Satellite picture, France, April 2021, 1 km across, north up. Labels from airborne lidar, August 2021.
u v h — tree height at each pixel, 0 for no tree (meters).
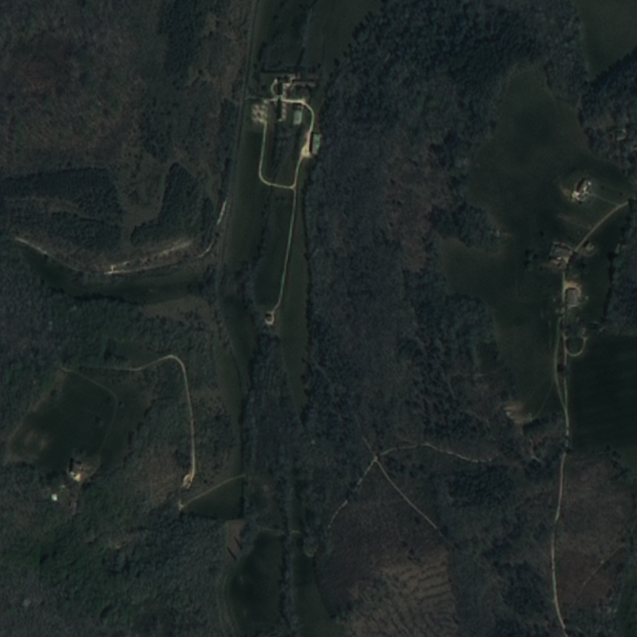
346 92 7
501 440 8
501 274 0
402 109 17
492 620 13
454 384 9
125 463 12
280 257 0
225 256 0
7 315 19
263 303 0
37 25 22
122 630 18
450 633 0
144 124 10
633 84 16
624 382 0
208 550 26
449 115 18
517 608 21
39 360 22
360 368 16
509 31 19
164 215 7
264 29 0
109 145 9
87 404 0
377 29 11
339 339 12
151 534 15
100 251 12
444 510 17
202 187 10
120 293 0
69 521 10
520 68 6
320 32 0
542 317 0
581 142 0
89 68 16
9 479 18
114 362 17
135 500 17
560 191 0
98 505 28
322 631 0
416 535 7
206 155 12
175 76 16
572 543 0
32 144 16
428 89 18
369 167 15
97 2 22
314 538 10
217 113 13
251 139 0
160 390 7
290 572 19
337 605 0
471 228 16
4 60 19
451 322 18
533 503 11
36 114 20
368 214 15
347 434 13
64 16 12
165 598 17
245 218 0
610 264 0
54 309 23
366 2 0
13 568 22
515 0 19
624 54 0
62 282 0
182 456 10
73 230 12
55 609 19
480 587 14
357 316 10
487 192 0
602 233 0
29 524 19
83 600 22
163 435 14
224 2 14
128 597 19
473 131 15
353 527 7
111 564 18
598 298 0
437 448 11
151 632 20
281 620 0
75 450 0
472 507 13
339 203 9
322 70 6
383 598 24
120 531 17
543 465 12
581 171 0
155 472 11
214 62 15
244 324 0
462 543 14
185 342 11
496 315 0
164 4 14
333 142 11
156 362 0
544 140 0
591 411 0
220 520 17
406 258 15
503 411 7
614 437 0
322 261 16
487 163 0
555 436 13
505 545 15
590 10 0
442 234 24
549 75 15
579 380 0
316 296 14
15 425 20
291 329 0
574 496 0
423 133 18
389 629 0
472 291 0
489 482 14
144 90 11
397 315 16
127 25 21
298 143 14
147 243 13
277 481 18
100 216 9
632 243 0
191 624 6
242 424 16
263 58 14
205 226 10
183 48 19
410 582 0
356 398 10
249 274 18
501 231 0
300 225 0
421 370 18
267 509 0
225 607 0
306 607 0
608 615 18
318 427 16
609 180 0
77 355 20
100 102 16
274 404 18
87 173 14
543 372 0
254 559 0
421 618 0
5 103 14
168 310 0
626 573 21
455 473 8
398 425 14
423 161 14
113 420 0
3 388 20
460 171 14
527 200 0
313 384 13
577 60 22
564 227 0
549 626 22
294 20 0
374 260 13
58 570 23
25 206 8
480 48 22
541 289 0
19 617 15
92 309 26
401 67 15
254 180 0
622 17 0
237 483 0
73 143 14
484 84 22
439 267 0
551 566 10
